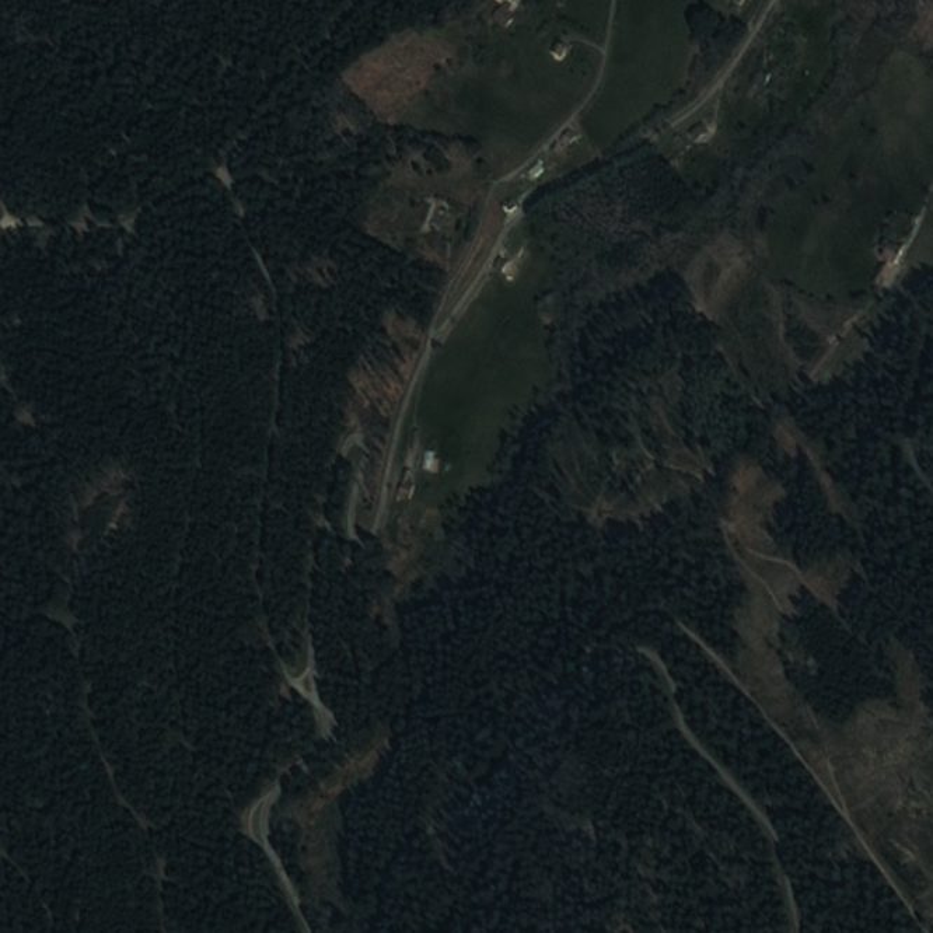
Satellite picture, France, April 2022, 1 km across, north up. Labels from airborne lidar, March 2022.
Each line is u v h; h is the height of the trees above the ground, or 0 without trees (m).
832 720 16
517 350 0
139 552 21
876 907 31
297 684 0
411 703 26
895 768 0
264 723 27
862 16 12
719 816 21
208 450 23
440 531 0
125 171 16
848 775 0
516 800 22
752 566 0
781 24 7
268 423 18
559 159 0
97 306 23
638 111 0
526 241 0
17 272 13
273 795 0
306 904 7
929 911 0
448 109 0
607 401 22
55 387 12
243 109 33
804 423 31
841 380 0
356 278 31
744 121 0
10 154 25
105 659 24
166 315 27
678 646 13
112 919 21
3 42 8
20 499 8
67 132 31
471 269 0
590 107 0
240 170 34
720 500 27
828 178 0
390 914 25
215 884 20
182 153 31
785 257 0
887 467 24
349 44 30
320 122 20
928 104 0
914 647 35
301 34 29
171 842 23
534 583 26
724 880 35
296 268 32
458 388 0
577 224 30
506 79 0
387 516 0
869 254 0
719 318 0
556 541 26
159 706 18
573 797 21
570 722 8
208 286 19
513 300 0
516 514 29
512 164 0
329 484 26
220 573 29
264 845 0
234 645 28
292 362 29
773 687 0
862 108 0
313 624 0
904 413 29
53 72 26
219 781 28
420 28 23
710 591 26
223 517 26
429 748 36
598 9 0
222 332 24
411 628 35
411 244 7
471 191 0
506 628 29
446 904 28
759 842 25
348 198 20
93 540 6
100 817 27
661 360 23
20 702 25
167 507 23
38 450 19
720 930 31
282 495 27
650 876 13
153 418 19
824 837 15
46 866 20
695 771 26
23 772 19
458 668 29
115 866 26
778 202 0
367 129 27
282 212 27
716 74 28
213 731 25
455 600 29
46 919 20
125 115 18
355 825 31
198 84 23
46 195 22
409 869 21
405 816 28
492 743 31
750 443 30
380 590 28
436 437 0
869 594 32
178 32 27
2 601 27
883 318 0
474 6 25
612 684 15
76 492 22
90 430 17
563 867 14
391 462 0
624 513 0
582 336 25
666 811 25
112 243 9
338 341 25
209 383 19
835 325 0
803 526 34
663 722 26
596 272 20
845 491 36
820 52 0
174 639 24
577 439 0
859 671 22
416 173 11
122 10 25
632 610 16
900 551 16
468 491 0
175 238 28
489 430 0
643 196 31
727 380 37
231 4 18
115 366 19
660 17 0
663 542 29
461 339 0
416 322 25
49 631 34
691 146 0
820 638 22
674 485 31
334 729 0
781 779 32
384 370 33
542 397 20
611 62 0
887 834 0
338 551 30
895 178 0
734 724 29
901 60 0
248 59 33
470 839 26
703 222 18
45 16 17
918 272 0
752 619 0
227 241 29
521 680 30
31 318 14
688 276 0
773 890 29
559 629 10
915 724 0
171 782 27
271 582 26
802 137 19
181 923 19
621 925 8
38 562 23
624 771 21
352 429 21
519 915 20
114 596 18
